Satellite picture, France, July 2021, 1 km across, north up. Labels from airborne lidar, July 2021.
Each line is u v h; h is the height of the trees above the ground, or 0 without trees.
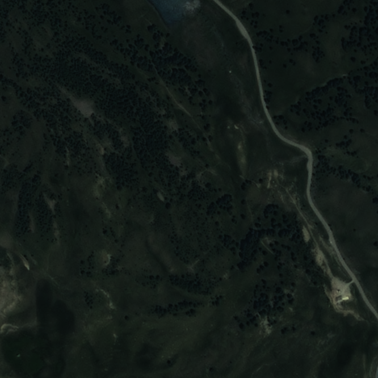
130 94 12
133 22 0
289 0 0
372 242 0
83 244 0
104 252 0
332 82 19
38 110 11
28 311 0
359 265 0
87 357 0
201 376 0
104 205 0
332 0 0
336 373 0
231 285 0
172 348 0
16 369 0
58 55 9
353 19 0
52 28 8
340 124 0
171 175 8
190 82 24
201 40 0
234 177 0
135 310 0
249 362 0
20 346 0
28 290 0
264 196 0
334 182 0
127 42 13
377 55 0
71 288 0
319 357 0
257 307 22
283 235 18
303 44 14
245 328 17
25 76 8
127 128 0
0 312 0
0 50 0
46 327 0
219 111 0
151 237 0
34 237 0
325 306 0
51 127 9
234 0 0
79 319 0
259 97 0
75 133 11
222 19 0
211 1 0
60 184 0
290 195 0
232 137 0
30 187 11
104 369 0
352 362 0
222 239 10
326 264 0
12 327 0
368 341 0
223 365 0
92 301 8
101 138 11
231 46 0
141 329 0
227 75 0
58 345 0
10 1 8
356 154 9
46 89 8
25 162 0
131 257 0
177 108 0
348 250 0
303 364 0
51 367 0
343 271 0
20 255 0
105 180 0
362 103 0
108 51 0
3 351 0
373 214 0
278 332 0
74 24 0
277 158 0
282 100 0
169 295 0
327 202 0
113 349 0
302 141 0
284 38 0
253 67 0
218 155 0
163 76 18
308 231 0
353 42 13
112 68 13
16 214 0
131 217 0
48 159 0
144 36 0
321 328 0
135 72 0
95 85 12
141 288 0
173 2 0
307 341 0
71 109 6
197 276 8
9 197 0
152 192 0
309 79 0
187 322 0
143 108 14
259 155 0
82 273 11
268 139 0
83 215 0
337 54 0
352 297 0
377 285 0
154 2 0
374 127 0
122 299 0
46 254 0
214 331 0
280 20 0
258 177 0
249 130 0
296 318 0
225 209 12
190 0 0
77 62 13
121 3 0
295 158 0
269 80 0
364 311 0
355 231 6
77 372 0
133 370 0
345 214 0
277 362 0
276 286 7
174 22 0
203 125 0
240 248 9
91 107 0
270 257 0
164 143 12
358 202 0
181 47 0
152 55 20
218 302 13
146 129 11
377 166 0
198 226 8
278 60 0
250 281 0
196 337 0
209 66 0
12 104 0
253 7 13
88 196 0
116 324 0
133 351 0
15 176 6
